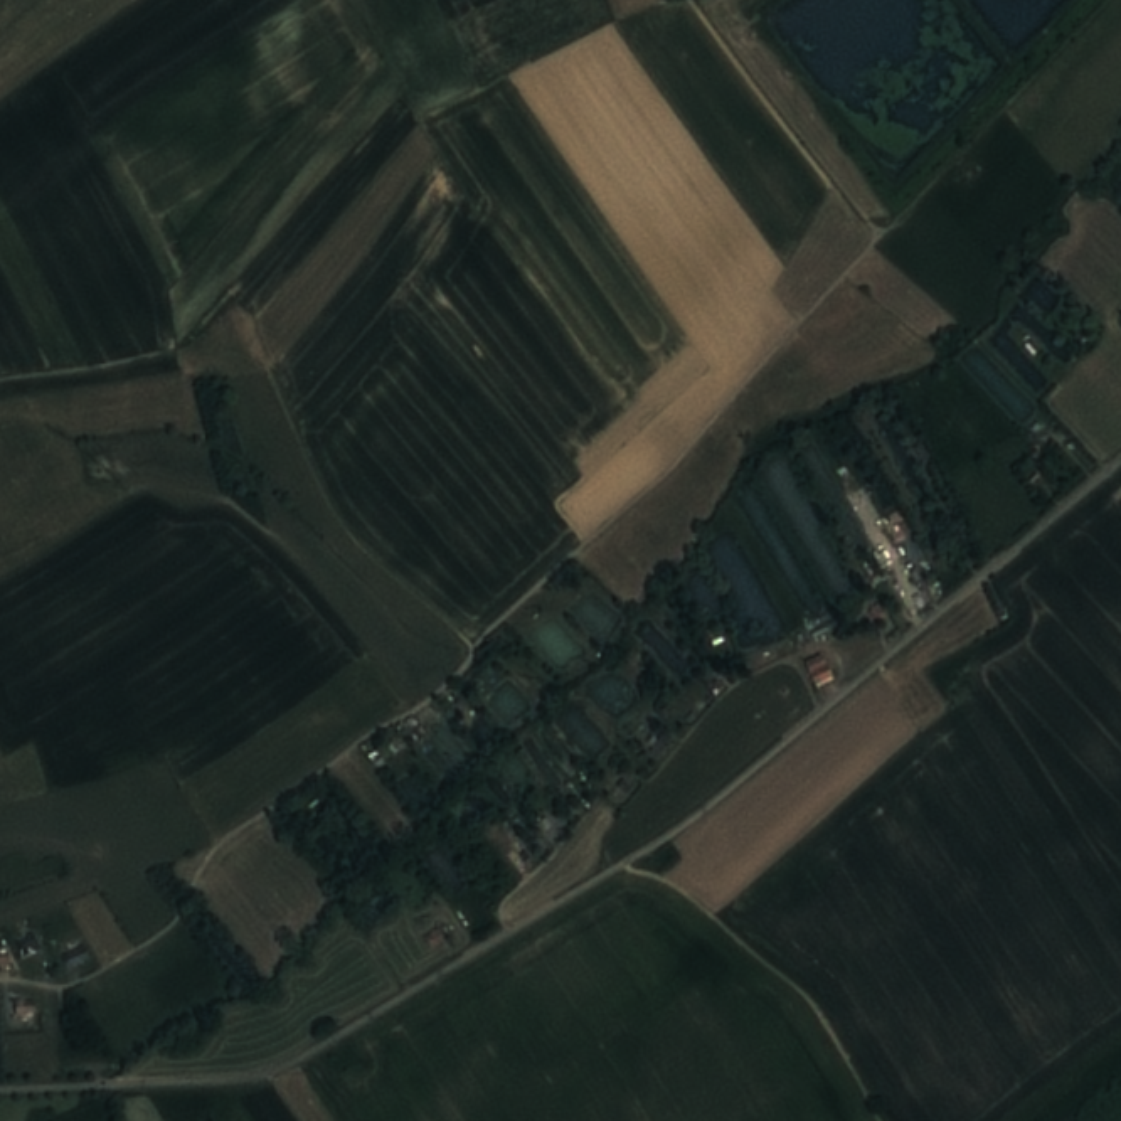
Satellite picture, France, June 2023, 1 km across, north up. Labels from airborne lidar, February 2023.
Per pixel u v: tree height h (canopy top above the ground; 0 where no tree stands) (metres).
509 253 0
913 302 0
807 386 0
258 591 0
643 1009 0
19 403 0
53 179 0
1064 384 0
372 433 0
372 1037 0
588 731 0
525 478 0
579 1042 0
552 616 0
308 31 0
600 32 0
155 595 0
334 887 11
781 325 0
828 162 0
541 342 0
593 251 0
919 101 0
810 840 0
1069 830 0
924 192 0
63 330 0
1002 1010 0
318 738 0
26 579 0
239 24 0
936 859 0
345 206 0
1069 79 0
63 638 0
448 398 0
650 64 0
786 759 0
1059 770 0
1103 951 0
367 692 0
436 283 0
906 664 0
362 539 0
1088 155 0
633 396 0
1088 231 0
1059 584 0
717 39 0
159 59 0
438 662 0
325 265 0
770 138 0
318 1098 0
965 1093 0
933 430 0
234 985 13
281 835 17
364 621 0
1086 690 0
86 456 0
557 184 0
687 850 0
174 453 0
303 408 0
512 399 0
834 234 0
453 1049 0
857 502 0
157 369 0
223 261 0
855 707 0
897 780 0
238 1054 0
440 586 0
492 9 0
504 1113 0
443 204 0
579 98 0
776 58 0
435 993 0
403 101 0
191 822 0
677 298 0
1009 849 0
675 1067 0
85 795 0
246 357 0
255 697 0
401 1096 0
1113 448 0
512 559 0
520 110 0
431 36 0
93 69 0
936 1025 0
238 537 0
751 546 0
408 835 18
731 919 0
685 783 0
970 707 0
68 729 0
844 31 0
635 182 0
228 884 0
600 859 0
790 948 0
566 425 0
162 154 0
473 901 0
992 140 0
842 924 0
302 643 0
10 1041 0
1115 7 0
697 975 0
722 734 0
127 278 0
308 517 0
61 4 0
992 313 0
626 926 0
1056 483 14
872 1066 0
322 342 0
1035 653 0
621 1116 0
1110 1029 0
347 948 0
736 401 0
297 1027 0
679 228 0
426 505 0
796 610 0
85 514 0
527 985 0
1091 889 0
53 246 0
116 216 0
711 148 0
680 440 0
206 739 0
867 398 20
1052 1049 0
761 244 0
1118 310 0
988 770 0
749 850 0
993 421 0
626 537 0
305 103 0
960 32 0
